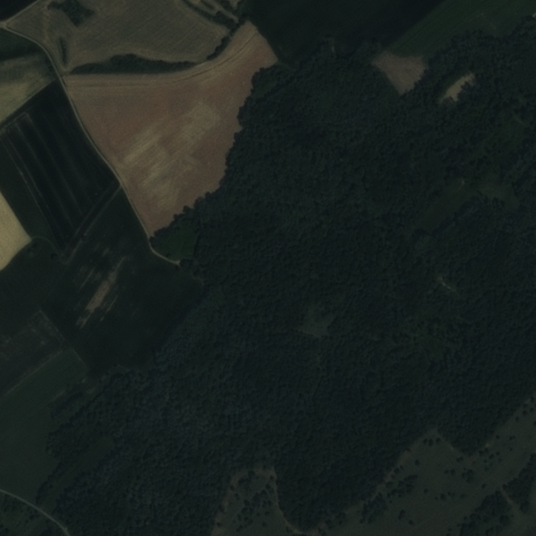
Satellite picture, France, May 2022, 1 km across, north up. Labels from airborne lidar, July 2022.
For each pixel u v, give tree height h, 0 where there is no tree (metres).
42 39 0
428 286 6
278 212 23
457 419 7
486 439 14
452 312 18
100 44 0
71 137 0
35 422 0
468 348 20
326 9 0
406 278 26
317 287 12
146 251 0
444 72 19
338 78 18
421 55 0
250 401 14
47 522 10
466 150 9
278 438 14
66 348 0
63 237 0
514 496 11
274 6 0
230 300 14
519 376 15
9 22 0
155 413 25
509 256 21
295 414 8
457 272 12
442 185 15
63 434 17
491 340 9
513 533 0
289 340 10
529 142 13
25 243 0
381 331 23
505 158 6
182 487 13
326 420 21
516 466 0
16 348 0
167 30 0
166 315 0
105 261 0
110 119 0
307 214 8
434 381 7
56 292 0
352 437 19
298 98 18
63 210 0
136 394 17
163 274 0
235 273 12
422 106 25
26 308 0
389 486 9
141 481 17
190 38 0
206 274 11
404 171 14
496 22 0
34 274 0
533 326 14
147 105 0
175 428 25
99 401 9
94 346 0
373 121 21
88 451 11
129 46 0
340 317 7
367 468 12
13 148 0
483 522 12
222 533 0
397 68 0
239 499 8
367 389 25
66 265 0
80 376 0
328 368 14
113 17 0
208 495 15
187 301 0
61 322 0
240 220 20
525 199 20
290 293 10
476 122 7
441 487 0
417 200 22
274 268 17
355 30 0
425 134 26
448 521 0
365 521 7
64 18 0
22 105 0
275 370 15
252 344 6
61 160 0
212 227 24
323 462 17
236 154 10
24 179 0
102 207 0
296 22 0
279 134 19
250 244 9
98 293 0
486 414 12
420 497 0
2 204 0
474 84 16
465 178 13
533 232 21
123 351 0
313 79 24
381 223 22
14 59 0
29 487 0
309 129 22
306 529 8
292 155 20
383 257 17
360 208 20
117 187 0
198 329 24
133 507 18
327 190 26
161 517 10
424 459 0
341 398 25
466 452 10
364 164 16
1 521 0
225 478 9
